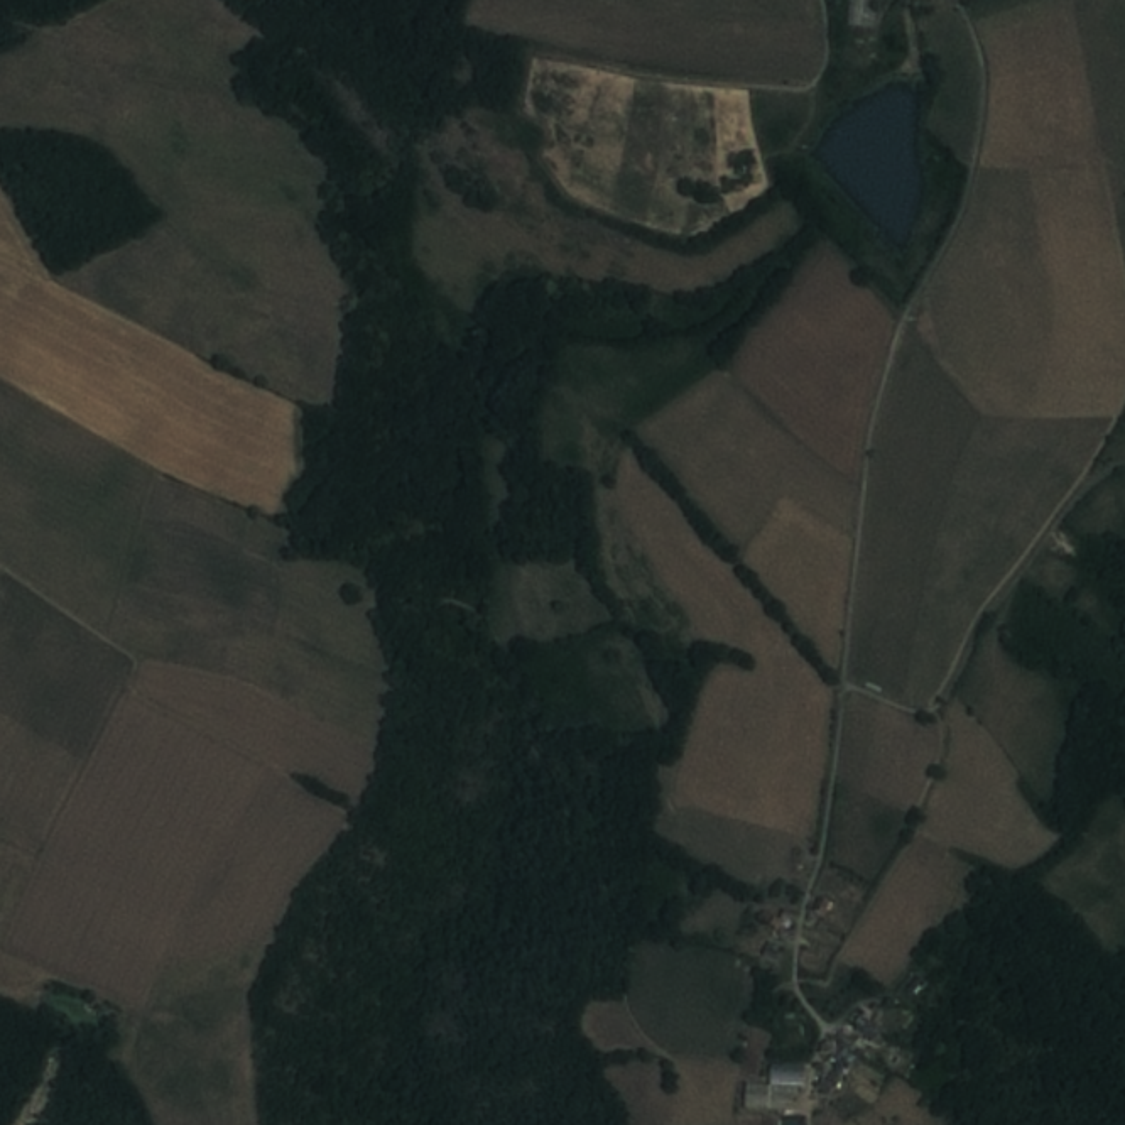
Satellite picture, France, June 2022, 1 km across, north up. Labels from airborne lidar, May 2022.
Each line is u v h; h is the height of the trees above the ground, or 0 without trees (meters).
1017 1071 17
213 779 0
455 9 16
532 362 22
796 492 0
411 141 9
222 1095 0
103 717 0
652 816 13
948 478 0
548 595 0
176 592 0
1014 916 19
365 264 15
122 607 0
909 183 0
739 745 0
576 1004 12
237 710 0
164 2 0
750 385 0
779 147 0
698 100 0
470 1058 8
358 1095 7
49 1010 18
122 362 0
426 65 21
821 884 0
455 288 0
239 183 0
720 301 11
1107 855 0
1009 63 0
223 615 0
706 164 0
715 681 0
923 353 0
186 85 0
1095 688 22
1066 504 0
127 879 0
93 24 0
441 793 15
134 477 0
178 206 0
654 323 17
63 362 0
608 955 16
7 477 0
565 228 0
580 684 0
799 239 10
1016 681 0
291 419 0
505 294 16
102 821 0
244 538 0
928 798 0
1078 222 0
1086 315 0
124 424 0
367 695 0
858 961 0
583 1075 11
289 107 18
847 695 0
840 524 0
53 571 0
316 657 0
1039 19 0
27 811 0
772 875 0
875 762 0
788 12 0
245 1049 0
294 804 0
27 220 14
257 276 0
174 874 0
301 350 0
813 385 0
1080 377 0
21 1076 22
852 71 0
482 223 0
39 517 0
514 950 13
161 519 0
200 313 0
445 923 12
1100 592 0
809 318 0
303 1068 14
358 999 14
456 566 24
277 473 0
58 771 0
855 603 0
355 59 12
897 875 0
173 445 0
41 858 0
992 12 0
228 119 0
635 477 0
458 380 26
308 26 15
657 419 0
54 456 0
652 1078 0
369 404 18
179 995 0
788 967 0
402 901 10
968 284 0
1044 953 24
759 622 0
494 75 12
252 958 0
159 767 0
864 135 0
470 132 6
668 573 0
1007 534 0
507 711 9
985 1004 17
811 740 0
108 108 0
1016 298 0
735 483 0
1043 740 0
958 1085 10
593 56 0
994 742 0
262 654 0
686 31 0
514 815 8
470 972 8
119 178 17
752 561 0
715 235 11
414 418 19
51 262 13
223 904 0
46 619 0
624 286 9
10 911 0
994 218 0
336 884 9
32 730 0
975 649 7
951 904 0
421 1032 6
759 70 0
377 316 16
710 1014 0
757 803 0
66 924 0
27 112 0
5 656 0
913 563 0
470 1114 7
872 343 0
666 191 0
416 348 17
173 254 0
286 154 0
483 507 27
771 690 0
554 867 19
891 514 0
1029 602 0
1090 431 0
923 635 0
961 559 0
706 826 0
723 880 14
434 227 0
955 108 0
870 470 0
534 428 13
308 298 0
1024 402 0
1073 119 0
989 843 0
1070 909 13
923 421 0
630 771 14
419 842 9
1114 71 0
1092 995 17
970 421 0
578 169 0
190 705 0
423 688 9
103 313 0
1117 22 0
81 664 0
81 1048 14
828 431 0
